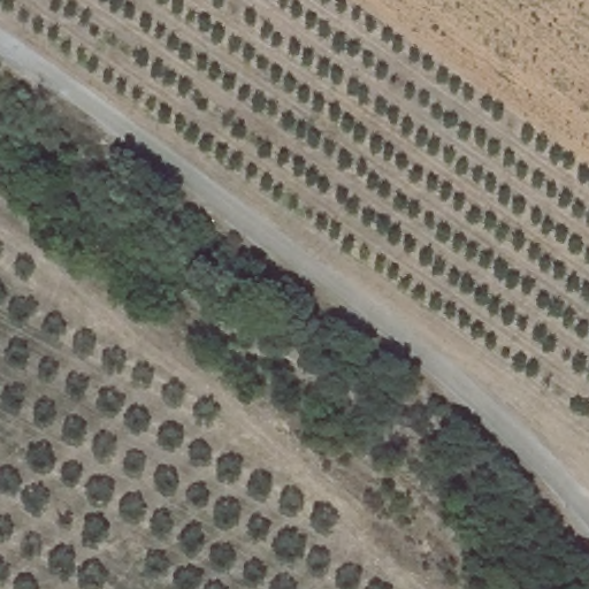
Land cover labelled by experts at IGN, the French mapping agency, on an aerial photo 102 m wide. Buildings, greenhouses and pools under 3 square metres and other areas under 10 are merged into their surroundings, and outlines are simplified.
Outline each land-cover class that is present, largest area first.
<instances>
[{"label":"deciduous trees","instance_id":"1","mask_svg":"<svg viewBox=\"0 0 589 589\"><path fill-rule=\"evenodd\" d=\"M53 12H64V16L81 18V25L92 18V12L78 7L76 0H51ZM101 2H108V5H110V9H113V12H124V16H127V18H131V16H133V2H131V0H101ZM186 21L198 23L202 32H209L212 41H221L223 25L212 21L205 12L191 9ZM306 28L318 30L320 37H327L331 25L315 12H308ZM108 46L136 58V64L140 67L147 62V48H133L124 39H117L115 32H110L106 37ZM168 48L177 51L182 60L191 58V44H186L173 32L168 39ZM334 48L354 55L359 48V39H350L345 32H336ZM230 51L242 53L244 60H251L255 53L253 44H248L242 37H232ZM290 53L301 55L304 67H308L313 48L299 44L297 37H292ZM198 69L207 71L212 81H223V87L230 90L235 83V74L221 69L219 62L207 58V53H198ZM258 69H265L271 76V83L283 85L285 92H297L299 101L313 104V110H322V92L311 90L290 71H283L276 62L260 55ZM152 76L161 78L166 85H177L179 94H186V90L191 87V78L175 74L159 58L152 67ZM318 74L331 78L334 83H341L343 69L322 58ZM184 177L175 166L166 163L159 154H154L147 145L138 143L133 136L115 140L113 136L104 133L99 127L90 122L87 113L64 101L58 92L46 90L44 85H30L28 81L14 76L7 67L0 64V219H5L16 232L30 235L32 242L46 253V258L58 262L71 278H87L97 292H108V301L113 306H124L129 320L136 322V334L147 338L156 350L173 352V357H177L186 366L196 361L205 370H219L221 382L228 389H232L242 403L255 400L262 407L274 405L276 410H281L290 421L292 433L301 439V444L311 446L320 456L322 469L338 479V490H345L352 497L361 499L375 513L370 522L373 541L380 548H384L400 568L416 573L439 571L444 575V584H456L462 589H589V536L575 534L573 527L564 522L561 511L543 497L534 472H529L522 465L513 449L504 446L495 433H490L483 426L479 414L439 393L437 384L421 373V359L410 352V345L398 343L393 338H384L370 322L361 320L343 306L322 308L315 295V285L308 278L299 276L292 269L278 267L274 260H269V255L262 248L246 246L244 237L237 230L219 232L216 223L205 212V207L191 202L184 193ZM437 83L449 85L451 92H462L465 99H472L474 90L469 83L460 81L456 74H449L446 67H442L437 74ZM347 92L359 99V104H366L368 85H364L359 78H350ZM239 99L251 101L253 110H262L269 115L276 113L274 99H267L262 92L251 90L248 85H242ZM481 106H483L485 110H490L495 120H499V117H502L504 108V104H502V101L492 99L490 94H485V97H483V99H481ZM375 110L380 113V115H387V117H389V122L393 124V122H396V115H398V106H391L389 101H387V99H384V97H377V101H375ZM331 120L341 122L345 131L354 133V140L368 143L373 152L384 154V159H396L398 168H403L410 175L412 182L421 179L423 168L416 161H410L405 152L393 147L391 140L382 138L373 129H366L347 110H341L338 101H331ZM159 120L166 122L161 127V133L168 140L179 143L182 150L193 152L202 163L212 166L214 170H221L228 177L237 168L246 173V177L255 175V163L244 161L242 152L228 150L225 143L214 140L212 133L200 131L196 122L186 120L168 104H163L159 110ZM435 120H442L446 127L458 129L460 138L469 136V122L460 120L453 110L442 108V104H435ZM223 127L232 129V136L253 143L260 156H269L271 143L258 136L255 131H248L244 120L235 115V110H225ZM283 129L297 133V138H306L311 147H315L320 129L306 120L295 117L288 110L283 115ZM522 143H536V150L541 152L545 150L548 140L545 133L534 131L531 124H525ZM416 145L428 147L430 154H437L439 138L428 133L426 127H421ZM476 145L488 147V154H497L499 140L488 136L483 127H479ZM550 159L577 168L580 179L589 184V161L582 166L573 159V152L557 145L552 147ZM504 166L515 168L518 177H525L527 163L522 159H515L513 150L508 147L504 154ZM295 175L306 177L311 186H318L320 191H327L329 179L315 166H308L304 156L297 154ZM357 173L368 179V189L391 200L398 209L407 212L410 216H416L419 200L407 198L403 191L393 189L373 168L366 166V159L361 156ZM262 191L271 193L274 200L290 207L297 216L313 219L320 230L329 232V237L338 235L341 223L336 219H329L327 214H320L313 207L301 205L297 193L285 191L283 184L274 182L269 173H265L260 182ZM428 189L439 191L442 200H453V207L460 209L465 202V193L456 191L451 182L439 179L435 173H430ZM550 198H557L561 207H571L575 216L589 223V198L580 200L571 193V189H561L554 182L548 184ZM499 202L511 205L513 212L520 214L525 209V198L513 193L508 184H502ZM338 202L350 214H354L359 198L350 196L345 186H338ZM364 223H377V230L387 235L391 244H403L405 251L414 248L416 239L412 235L403 232L400 225L393 223L387 214H380L368 207L364 212ZM467 221L483 223L488 230L497 235V239L511 242L515 248L527 251L529 258L541 265V269L554 271V278L564 281L568 290L580 292L589 299V278H577V274L566 269L561 260L552 258L536 242L527 239L520 228L499 221L495 212L472 207L467 214ZM531 221L541 225L543 232H554L557 239L568 244L573 253H582L584 258H589V230L584 235H575L564 223H557L548 214H543L541 207L531 209ZM426 228L437 232V239L451 242L456 251H465L467 258L479 260L481 267H488L485 278L497 276L506 281L508 288H522V292L531 290V276L520 274L504 258L495 255L490 248H481L476 242L467 239L458 230H451L446 221L435 219L433 212H428ZM421 265L430 267L433 274H442L444 258L433 253L430 246H423L419 258ZM14 267L21 278H28L35 269V260L28 253H21ZM375 269L393 278L400 285V290L410 292L414 299L430 297L433 311H444L449 318H458L460 327L469 329L474 338H483L488 347L495 345L497 336L483 327V322H476L474 318H469L465 308L456 306L449 299H442L439 292L428 290L410 274L400 271L396 262L387 260L384 255H377ZM451 285L460 288L467 295H474L476 304L485 306L492 315H499L506 324H518L520 329L527 327V315L518 313L513 304L502 301L497 295H490L488 285L476 283L467 271L453 267L449 276ZM538 306L545 308L550 315L561 318L564 327L577 331V336L589 338V315L582 320L580 315H575L571 306H566L559 297H552L545 290L536 299ZM12 320H28L37 329L41 327L46 334H64L67 320L51 299L41 297L37 301L32 295H16L9 301ZM534 341L541 343V347L548 352L554 350V334L548 331L545 324H536ZM97 343V334L92 329H81L74 336V352L78 357H87ZM7 361L14 366H25L30 357L28 341L12 338L5 350ZM127 361V350L115 345L104 350V366L110 373H120ZM502 357L513 361L515 370L536 375V359L522 352L518 354L511 347H502ZM564 359L571 361L577 373H584L589 377V350H564ZM60 366L55 357L48 354L39 361V377L51 380ZM131 377L143 387H150L154 377V366L147 361H138ZM87 389V375L69 373L67 391L81 400ZM186 389L182 380L173 377L163 384L161 393L168 405L179 407ZM25 398V384L14 382L2 389V403L16 414ZM124 400V393L115 387H101L97 405L101 407V412L113 416ZM221 405L214 400V396H202L193 405V414L196 419L212 423ZM127 426L133 433L147 430L150 410L145 405H131L124 419ZM62 435L69 444H81L85 435V419L78 414H69ZM184 437V428L177 421H166L159 428V444L163 449H177ZM117 437L108 430H99L92 442V451L97 460H106L115 451ZM28 462L37 472H48L55 462V453L51 442L41 439L28 446ZM212 449L207 439H193L189 446L191 462L198 467L207 465ZM145 451L131 449L124 458V469L129 474L143 472ZM244 456L230 451L219 458L216 467V476L221 481H228L223 485V492L228 497H221L214 508V520L221 529L232 527L239 520V495L248 490L253 497L265 499L271 490V472H244ZM83 472V465L69 460L62 467V481L74 485ZM0 492L21 497L30 513L39 515L51 497V490L44 483L25 485L21 481V472L14 465L0 467ZM154 483L161 495H170L177 488V467L159 465L154 472ZM87 497L92 502H108L115 490V479L106 474H94L90 476L85 488ZM186 497L196 506H202L209 497V490L205 481H198L189 485ZM278 506L283 513L295 515L304 506V492L299 485H285ZM145 513V497L143 492H127L120 502V515L129 522H138ZM338 520V511L329 502H315L311 522L318 531L329 534ZM173 527V515L168 508H156L150 529L154 536H166ZM108 534V518L104 513H87L83 525V543L97 545ZM271 522L260 513H253L248 520V534L253 541H260ZM205 541L202 525L189 522L179 534V543L186 554H196ZM306 534L297 527H283L274 538L271 548L278 559L295 561L304 552ZM21 550L25 557H35L41 550V534L28 531L23 536ZM74 545L60 543L48 554L51 573L60 575L62 580H67L69 575L78 577V584L83 589H101L108 577V568L104 566V561L92 557L83 564H74ZM209 561L219 571L230 568L235 561V545L214 543L209 550ZM329 566V548L313 545L308 568L313 575H324ZM170 564L168 552L147 550L145 568L152 575L166 573ZM267 573L265 561L253 557L244 564V577L248 587H255ZM364 566L347 561L336 573L338 589H354L359 584ZM202 568L179 566L175 571L173 584H166L163 589H198ZM14 589H39V582L32 573H21L16 577ZM271 589H297V580L292 575L281 573L274 577Z\"/></svg>","mask_w":589,"mask_h":589},{"label":"plowed land","instance_id":"2","mask_svg":"<svg viewBox=\"0 0 589 589\"><path fill-rule=\"evenodd\" d=\"M131 2H133V16H131V18H127V16H124V12H113V9H110V5H108V2H101V0H76L78 7L92 12V18L81 25V18L64 16V12H53L51 0H0V64L7 67L14 76L28 81L30 85H44L46 90L58 92L64 101L87 113L90 122L99 127L104 133L113 136L115 140L133 136L138 143L147 145L154 154H159L166 163L175 166L184 177V193L191 202L205 207V212L216 223L219 232L237 230L244 237L246 246L262 248L269 255V260H274L278 267L292 269L299 276L308 278L315 285V295L322 308L343 306L361 320L370 322L384 338H393L398 343L410 345V352L421 359V373L437 384L439 393L479 414L483 426L490 433H495L504 446L513 449L522 465L529 472H534L543 497L561 511L564 522L573 527L575 534L589 536V377L584 373H577L571 361L564 359V350H589V338L577 336V331L564 327L561 318L550 315L545 308L538 306L536 299L545 290L552 297H559L566 306H571L575 315H580L582 320L589 315V299L580 292L568 290L564 281L554 278V271L541 269V265L529 258L527 251L515 248L511 242L497 239V235L488 230L483 223L467 221V214L472 207L495 212L499 221L520 228L527 239L536 242L552 258L561 260L566 269L577 274V278H589V258H584L582 253H573L568 244L557 239L554 232H543L541 225L531 221V209L541 207L543 214H548L557 223H564L575 235H584L589 230V223L575 216L571 207H561L557 198H550L548 184L554 182L561 189H571V193L580 200L589 198V184L580 179L577 168L550 159L552 147L557 145L554 140H548L545 150L541 152L536 150V143H522L525 124L504 108L502 117H499V120H495L490 110H485L483 106H481V99H483V97L474 90L472 99H465L462 92H451L449 85L437 83V74L442 67L428 53H421L398 32H393L384 21L368 14V9H361L357 5L352 9L345 5V0H131ZM191 9L205 12L212 21L223 25L221 41H212L209 32H202L198 23L186 21ZM308 12H315L331 25L327 37H320L318 30L306 28ZM110 32H115L117 39H124L133 48H147V62L140 67L136 64V58L108 46L106 37ZM173 32L186 44H191V58L182 60L177 51L168 48V39ZM336 32H345L350 39H359V48L354 55L334 48ZM232 37H242L248 44H253L255 53L251 60H244L242 53L230 51ZM292 37H297L299 44L313 48L308 67H304L301 55L290 53ZM198 53H207V58L219 62L221 69L235 74V83L230 90L223 87V81H212L207 71L198 69ZM260 55L276 62L283 71H290L311 90L322 92V110H313V104L299 101L297 92H285L283 85L271 83V76L265 69H258ZM159 58L175 74L191 78V87L186 90V94H179L177 85H166L161 78L152 76V67ZM322 58L343 69L341 83H334L331 78L318 74ZM350 78H359L364 85H368L366 104H359V99L347 92ZM242 85H248L251 90L262 92L267 99H274L276 113L269 115L262 110H253L251 101L239 99ZM377 97H384V99H387V101H389L391 106H398V115H396V122H393V124L389 122V117H387V115H380V113L375 110V101H377ZM331 101H338L341 110H347L366 129H373L382 138L391 140L393 147L405 152L410 161H416L423 168L421 179L412 182L410 175L403 168H398L396 159H384V154L373 152L368 143L354 140V133L345 131L341 122L331 120ZM163 104H168L186 120L196 122L200 131L212 133L214 140L225 143L228 150L242 152L244 161L255 163V175L246 177V173L237 168L228 177L221 170H214L212 166L202 163L193 152L182 150L179 143L168 140L161 133V127L166 122L159 120V110ZM435 104H442V108L453 110L460 120L469 122V136L460 138L458 129L446 127L442 120H435ZM225 110H235V115L244 120L248 131H255L258 136L271 143L269 156H260L253 143L232 136V129L223 127ZM288 110L295 117L306 120L320 129L315 147H311L306 138H297V133L283 129V115ZM421 127H426L428 133L439 138L437 154H430L428 147L416 145ZM479 127H483L488 136L499 140L497 154H488V147L476 145ZM508 147L513 150L515 159H522L527 163L525 177H518L515 168L504 166V154ZM297 154L304 156L308 166H315L329 179L327 191H320L318 186H311L306 177L295 175ZM361 156L366 159V166L373 168L393 189L403 191L407 198L419 200L416 216H410L407 212L398 209L391 200L368 189V179L357 173ZM265 173H269L274 182L283 184L285 191L297 193L301 205L313 207L320 214H327L329 219H336L341 223L338 235L329 237V232L320 230L313 219L297 216L290 207L274 200L271 193L262 191L260 182ZM430 173H435L439 179L451 182L456 191L465 193V202L460 209L453 207V200H442L439 191L428 189ZM502 184H508L513 193L525 198V209L520 214L513 212L511 205L499 202ZM338 186H345L350 196L359 198L354 214H350L338 202ZM368 207L380 214H387L393 223L400 225L403 232L412 235L416 239L414 248L405 251L403 244H391L387 235L377 230V223H364V212ZM428 212H433L435 219L446 221L451 230H458L467 239L476 242L481 248H490L495 255L504 258L520 274L531 276V290L522 292V288H508L506 281L497 276L485 278L488 267H481L479 260L467 258L465 251H456L451 242L437 239V232L426 228ZM423 246H430L433 253L444 258L442 274H433L430 267L421 265L419 258ZM377 255H384L387 260L396 262L400 271L410 274L428 290L439 292L442 299H449L456 306L465 308L469 318H474L476 322H483V327L497 336L495 345L488 347L483 338H474L469 329L460 327L458 318H449L444 311H433L430 297L414 299L410 292L400 290V285L393 278L375 269ZM453 267L467 271L476 283L488 285L490 295H497L502 301L513 304L518 313L527 315V327L520 329L518 324H506L499 315H492L485 306L476 304L474 295H467L460 288L451 285L449 276ZM536 324H545L548 331L554 334V350L548 352L541 347V343L534 341ZM502 347H511L518 354L522 352L536 359V375L515 370L513 361L502 357ZM419 580L410 589H462L456 584H444V575L439 571L416 573Z\"/></svg>","mask_w":589,"mask_h":589},{"label":"herbaceous vegetation","instance_id":"3","mask_svg":"<svg viewBox=\"0 0 589 589\"><path fill-rule=\"evenodd\" d=\"M21 253H28L35 260V269L28 278H21L14 267ZM16 295H32L37 301L41 297L51 299L67 320L64 334H46L41 327L37 329L28 320H12L9 301ZM136 322L129 320L124 306H113L108 301V292H97L87 278H71L58 262L46 258V253L32 242L30 235L16 232L5 219H0V467L14 465L21 472V481L25 485L44 483L51 490V497L39 515L30 513L21 497L0 492V589H14L16 577L21 573H32L39 582V589H83L78 584V577L69 575L67 580H62L60 575L51 573L48 554L60 543L74 545V564H83L92 557L104 561V566L108 568V577L101 589H163L166 584H173L175 571L179 566L202 568L198 589H271L274 577L281 573L292 575L297 580V589H338L336 573L347 561L364 566L359 584L354 589H410L419 580L416 573L400 568L384 548H380L373 541L370 522L375 513L361 499L352 497L345 490H338V479L322 469L320 456L311 446L301 444V439L292 433L290 421L281 410H276L274 405L262 407L255 400L242 403L232 389H228L221 382L219 370H205L196 361L186 366L177 357H173V352L156 350L147 338L136 334ZM81 329H92L97 334V343L87 357H78L74 352V336ZM12 338L28 341L30 357L25 366H14L7 361L5 350ZM115 345L127 350V361L120 373H110L104 366V350ZM48 354L55 357L60 366L51 380L39 377V361ZM138 361H147L154 366V377L150 387H143L131 377ZM69 373L87 375V389L81 400L67 391ZM173 377L182 380L186 389L179 407L168 405L161 393L163 384ZM14 382L25 384V398L16 414L2 403V389ZM101 387H115L124 393V400L113 416L101 412V407L97 405ZM202 396H214V400L221 405L212 423L196 419L193 414V405ZM131 405H145L150 410L147 430L133 433L127 426L124 419ZM69 414H78L85 419V435L81 444H69L62 435ZM166 421H177L184 428V437L177 449H163L159 444V428ZM99 430H108L117 437L115 451L106 460H97L92 451V442ZM41 439L51 442L55 453V462L48 472H37L28 462V446ZM193 439H207L212 449L207 465L198 467L191 462L189 446ZM131 449L145 451L143 472L129 474L124 469V458ZM230 451L244 456V472H271V490L265 499L253 497L248 490L239 495V520L232 527L221 529L214 520V508L221 497H228L223 492V485L228 481H221L216 476V467L219 458ZM69 460L83 465V472L74 485L62 481V467ZM159 465L177 467V488L170 495H161L154 483V472ZM94 474H106L115 479V490L108 502H92L87 497L85 488L90 476ZM198 481H205L209 490V497L202 506H196L186 497L189 485ZM285 485H299L304 492V506L295 515L283 513L278 506ZM127 492H143L145 497V513L138 522H129L120 515V502ZM315 502H329L338 511V520L329 534L318 531L311 522ZM156 508H168L173 515V527L166 536H154L150 529ZM87 513H104L108 518V534L97 545L83 543V525ZM253 513H260L271 522L260 541H253L248 534V520ZM189 522L202 525L205 541L196 554H186L179 543V534ZM283 527H297L306 534L304 552L295 561L278 559L271 548L274 538ZM28 531L41 534V550L35 557H25L21 550L23 536ZM214 543L235 545V561L230 568L219 571L209 561V550ZM313 545L329 548V566L324 575H313L308 568ZM147 550L168 552L170 564L166 573L152 575L145 568ZM253 557L265 561L267 573L255 587H248L244 577V564Z\"/></svg>","mask_w":589,"mask_h":589},{"label":"agricultural land","instance_id":"4","mask_svg":"<svg viewBox=\"0 0 589 589\"><path fill-rule=\"evenodd\" d=\"M345 5L352 9L357 5L361 9H368V14L384 21L393 32H398L421 53H428L442 67H446L449 74H456L460 81L469 83L474 90L483 97H485V94H490L492 99L502 101V104H504V108L525 124H531L534 131L545 133L548 140H554L557 145L573 152V159L582 166L589 161V0H345Z\"/></svg>","mask_w":589,"mask_h":589}]
</instances>
